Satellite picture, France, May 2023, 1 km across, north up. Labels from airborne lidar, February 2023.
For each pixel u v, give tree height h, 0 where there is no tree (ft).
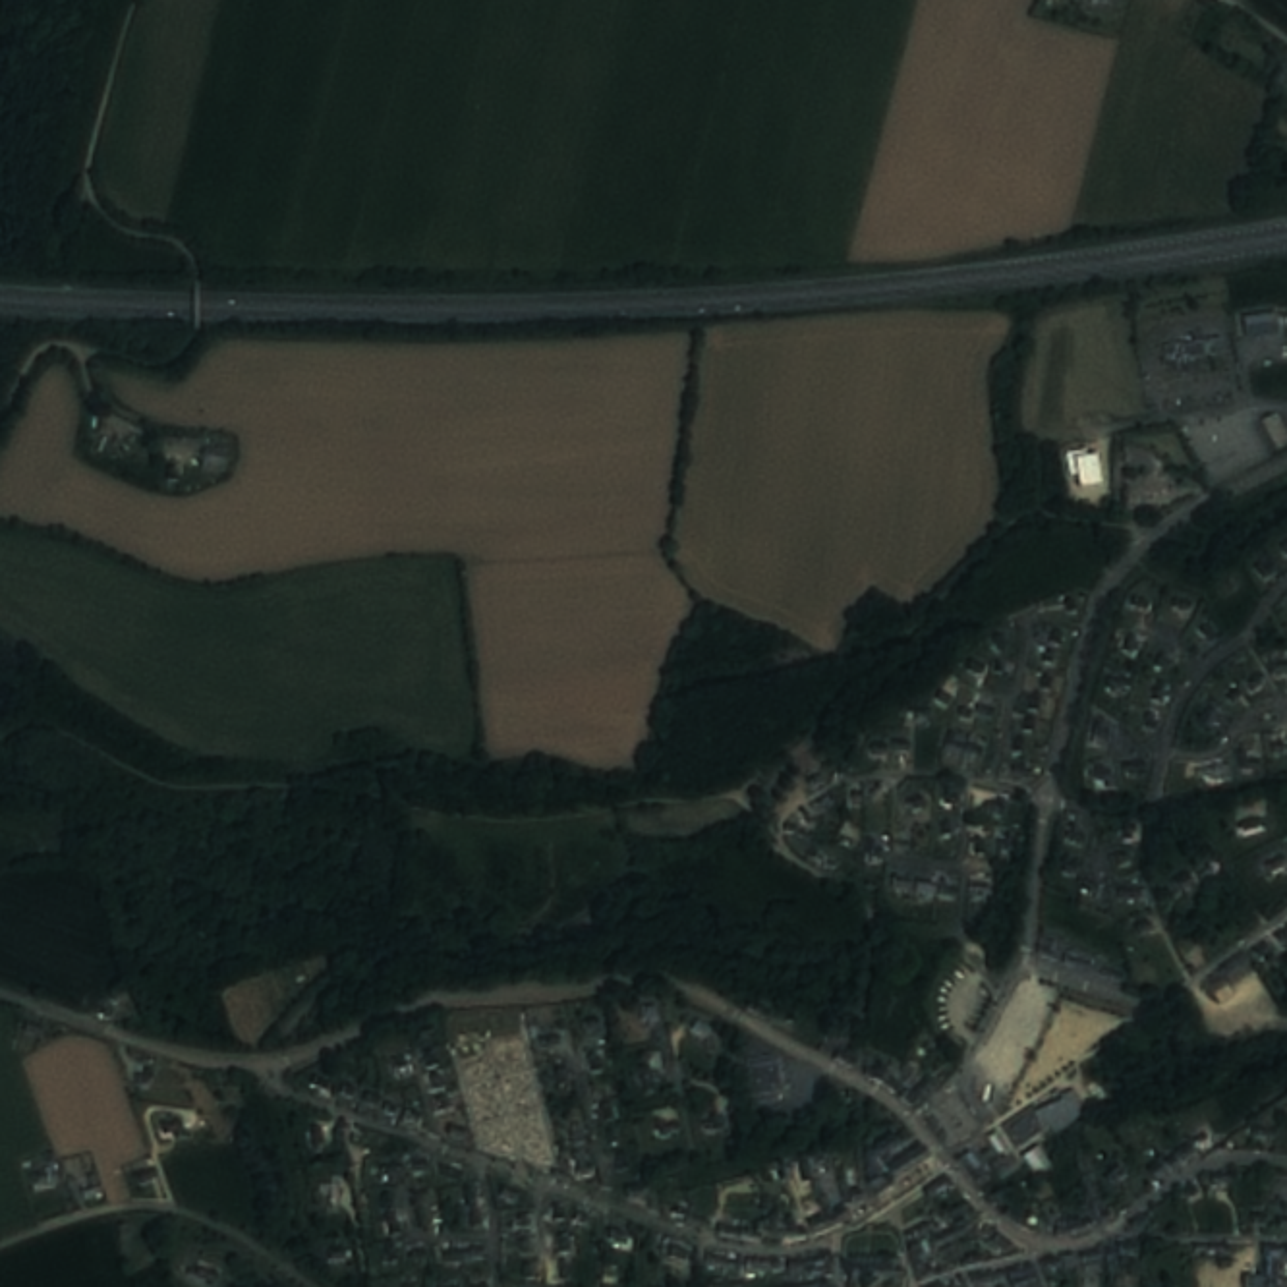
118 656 0
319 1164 21
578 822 0
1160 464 0
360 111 0
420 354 0
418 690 0
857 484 0
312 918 73
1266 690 0
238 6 0
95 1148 0
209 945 29
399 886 65
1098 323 0
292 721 0
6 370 44
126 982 44
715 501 0
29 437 0
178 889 48
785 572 0
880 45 0
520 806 42
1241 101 0
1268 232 0
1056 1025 0
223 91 0
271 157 0
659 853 32
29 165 72
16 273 45
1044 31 0
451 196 0
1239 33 0
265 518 0
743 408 0
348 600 0
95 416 64
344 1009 55
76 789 39
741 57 0
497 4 0
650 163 0
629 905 29
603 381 0
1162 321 0
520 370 0
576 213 0
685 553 0
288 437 0
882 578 0
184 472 0
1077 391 0
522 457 0
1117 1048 63
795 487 0
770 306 0
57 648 0
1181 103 0
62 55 55
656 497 0
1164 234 0
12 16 43
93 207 31
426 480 0
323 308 0
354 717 0
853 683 59
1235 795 45
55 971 0
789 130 0
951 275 0
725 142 0
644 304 0
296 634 0
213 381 0
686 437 24
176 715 0
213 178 0
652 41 0
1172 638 0
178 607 0
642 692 0
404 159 0
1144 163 0
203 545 0
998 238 0
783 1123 43
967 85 0
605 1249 28
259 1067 0
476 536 0
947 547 0
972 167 0
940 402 0
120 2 0
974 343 0
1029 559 0
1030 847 32
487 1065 0
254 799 31
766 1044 0
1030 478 23
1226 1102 0
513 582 0
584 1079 0
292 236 0
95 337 23
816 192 0
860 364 0
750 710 57
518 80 0
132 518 0
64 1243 0
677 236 0
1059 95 0
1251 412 0
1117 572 0
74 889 0
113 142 0
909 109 0
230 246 0
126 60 0
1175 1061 20
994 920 43
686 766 63
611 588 0
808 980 66
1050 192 0
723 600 0
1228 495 61
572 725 0
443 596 0
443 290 0
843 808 28
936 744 0
